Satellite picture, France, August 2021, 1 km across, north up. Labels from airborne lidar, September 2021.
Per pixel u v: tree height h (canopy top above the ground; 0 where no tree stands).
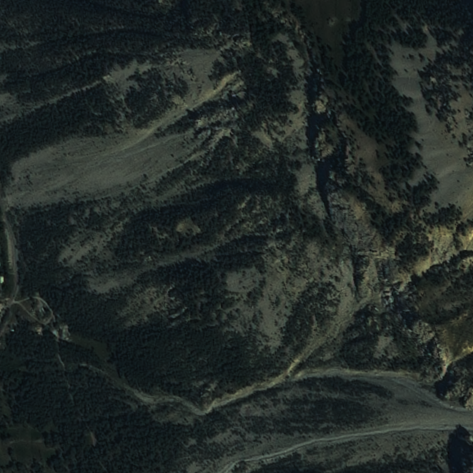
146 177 9
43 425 20
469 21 7
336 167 9
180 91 6
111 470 15
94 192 0
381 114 17
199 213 7
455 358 0
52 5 8
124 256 8
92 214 7
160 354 11
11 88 9
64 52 13
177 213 11
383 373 0
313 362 7
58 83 8
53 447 10
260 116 11
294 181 8
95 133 8
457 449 9
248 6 13
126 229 10
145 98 7
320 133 6
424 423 0
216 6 7
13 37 9
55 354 10
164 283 6
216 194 12
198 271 14
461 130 0
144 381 13
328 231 9
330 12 0
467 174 0
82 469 14
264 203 8
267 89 9
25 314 0
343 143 9
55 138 10
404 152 21
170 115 0
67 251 0
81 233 7
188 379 7
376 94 18
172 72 0
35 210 7
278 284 0
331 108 7
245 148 9
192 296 12
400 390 0
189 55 0
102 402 11
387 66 9
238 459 0
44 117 8
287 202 6
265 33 16
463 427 0
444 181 0
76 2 10
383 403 0
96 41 12
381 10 22
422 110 0
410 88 0
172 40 8
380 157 15
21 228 6
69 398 16
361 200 9
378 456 0
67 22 9
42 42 7
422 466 6
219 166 13
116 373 0
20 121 7
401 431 0
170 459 10
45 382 14
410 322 9
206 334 12
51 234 9
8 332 0
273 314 0
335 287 7
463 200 0
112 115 7
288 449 0
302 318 9
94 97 10
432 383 0
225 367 13
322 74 8
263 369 6
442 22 14
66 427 16
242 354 6
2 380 12
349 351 7
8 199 0
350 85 20
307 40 8
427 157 0
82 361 10
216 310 11
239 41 8
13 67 8
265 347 7
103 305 8
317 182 7
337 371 0
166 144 0
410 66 0
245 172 11
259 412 0
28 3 8
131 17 6
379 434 0
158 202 7
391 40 15
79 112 9
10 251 0
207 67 0
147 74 8
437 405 0
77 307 13
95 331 9
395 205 0
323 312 9
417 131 11
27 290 8
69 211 8
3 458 0
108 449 17
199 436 8
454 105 0
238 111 12
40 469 15
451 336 0
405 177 16
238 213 8
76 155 0
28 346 14
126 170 0
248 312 0
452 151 0
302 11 12
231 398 0
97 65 18
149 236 16
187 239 12
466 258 7
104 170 0
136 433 16
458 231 10
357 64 19
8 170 8
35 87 8
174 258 0
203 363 7
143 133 0
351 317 0
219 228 10
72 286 9
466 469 7
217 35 7
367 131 13
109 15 12
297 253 7
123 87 0
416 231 7
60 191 0
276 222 9
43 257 5
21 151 8
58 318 13
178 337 11
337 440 0
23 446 0
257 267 7
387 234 14
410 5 10
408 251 13
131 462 8
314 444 0
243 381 7
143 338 14
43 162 0
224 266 10
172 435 9
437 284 9
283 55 13
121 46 10
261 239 8
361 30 23
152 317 8
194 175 9
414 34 20
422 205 12
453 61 8
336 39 0
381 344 0
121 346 13
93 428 16
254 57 12
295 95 0
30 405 20
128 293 7
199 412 0
